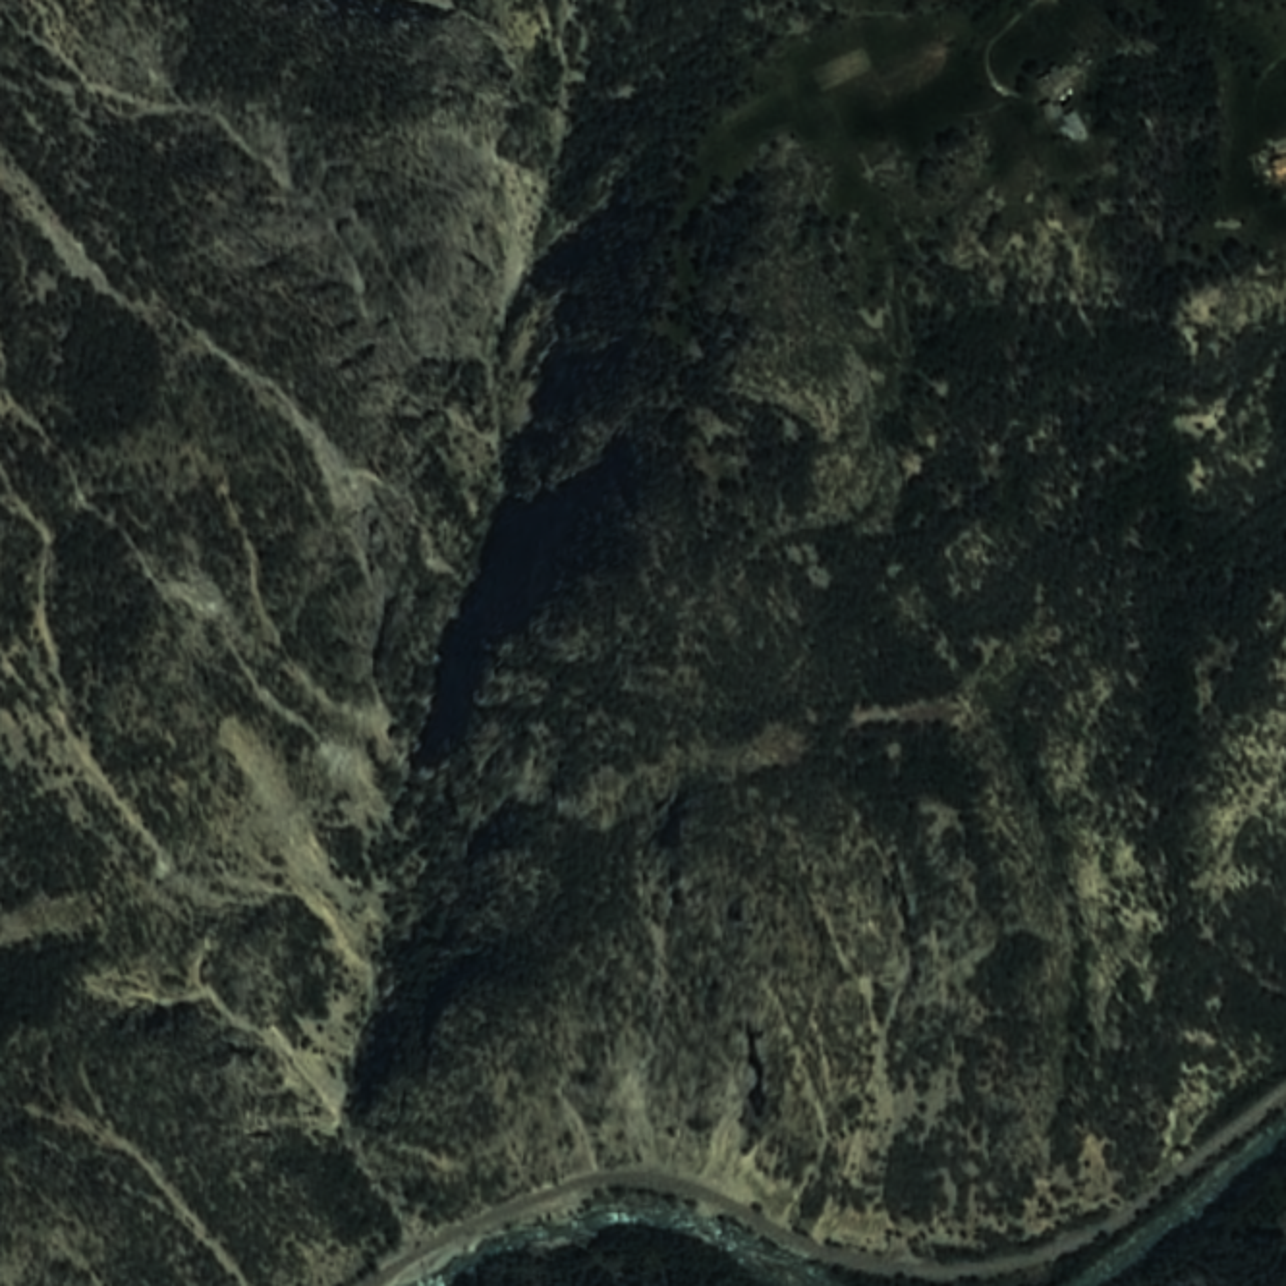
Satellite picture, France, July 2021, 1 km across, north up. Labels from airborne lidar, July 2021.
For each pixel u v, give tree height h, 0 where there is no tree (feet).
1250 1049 18
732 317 21
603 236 47
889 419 40
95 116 32
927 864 21
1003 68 0
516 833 21
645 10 38
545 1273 25
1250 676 44
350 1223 51
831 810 29
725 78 31
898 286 25
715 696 20
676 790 23
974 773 24
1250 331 33
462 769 22
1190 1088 19
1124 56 40
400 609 22
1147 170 46
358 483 0
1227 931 37
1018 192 0
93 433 20
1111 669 28
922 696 37
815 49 0
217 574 33
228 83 27
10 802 24
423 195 19
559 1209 0
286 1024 24
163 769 20
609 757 21
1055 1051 33
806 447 35
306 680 0
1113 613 42
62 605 29
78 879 25
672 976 22
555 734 27
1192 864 34
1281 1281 60
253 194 41
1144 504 56
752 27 39
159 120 19
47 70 42
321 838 30
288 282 26
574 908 32
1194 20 27
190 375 19
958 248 0
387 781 25
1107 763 46
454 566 31
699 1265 30
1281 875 36
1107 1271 0
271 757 0
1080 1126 22
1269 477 49
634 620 29
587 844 33
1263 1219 29
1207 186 57
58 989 37
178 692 24
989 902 32
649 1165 0
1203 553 49
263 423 24
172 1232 26
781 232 0
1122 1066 35
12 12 31
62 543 36
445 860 22
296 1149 29
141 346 49
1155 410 45
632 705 20
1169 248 22
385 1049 19
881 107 0
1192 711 34
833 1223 0
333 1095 0
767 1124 79
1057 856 34
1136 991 26
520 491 29
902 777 37
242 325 24
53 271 33
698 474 29
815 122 0
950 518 42
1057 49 0
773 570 39
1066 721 34
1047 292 31
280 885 21
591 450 17
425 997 35
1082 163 0
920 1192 29
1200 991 35
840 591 41
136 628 28
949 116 0
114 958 31
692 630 19
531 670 29
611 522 23
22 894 36
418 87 20
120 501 39
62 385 30
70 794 17
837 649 31
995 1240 35
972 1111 25
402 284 22
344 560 20
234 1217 25
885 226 0
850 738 37
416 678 29
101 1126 22
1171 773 57
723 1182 0
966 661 40
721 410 34
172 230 25
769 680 28
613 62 24
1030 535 46
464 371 32
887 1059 20
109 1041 28
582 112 28
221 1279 30
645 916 20
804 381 0
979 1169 21
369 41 23
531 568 24
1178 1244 60
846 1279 36
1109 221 30
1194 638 63
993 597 34
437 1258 0
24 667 19
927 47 0
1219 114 35
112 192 37
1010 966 35
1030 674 28
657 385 29
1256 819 28
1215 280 22
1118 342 59
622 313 30
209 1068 21
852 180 0
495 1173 22
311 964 31
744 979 18
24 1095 31
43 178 29
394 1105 21
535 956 27
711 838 26
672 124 33
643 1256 36
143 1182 22
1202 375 27
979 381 52
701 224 45
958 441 51
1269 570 53
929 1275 0
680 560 21
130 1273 28
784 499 23
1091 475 53
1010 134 0
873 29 0
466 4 21
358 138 23
